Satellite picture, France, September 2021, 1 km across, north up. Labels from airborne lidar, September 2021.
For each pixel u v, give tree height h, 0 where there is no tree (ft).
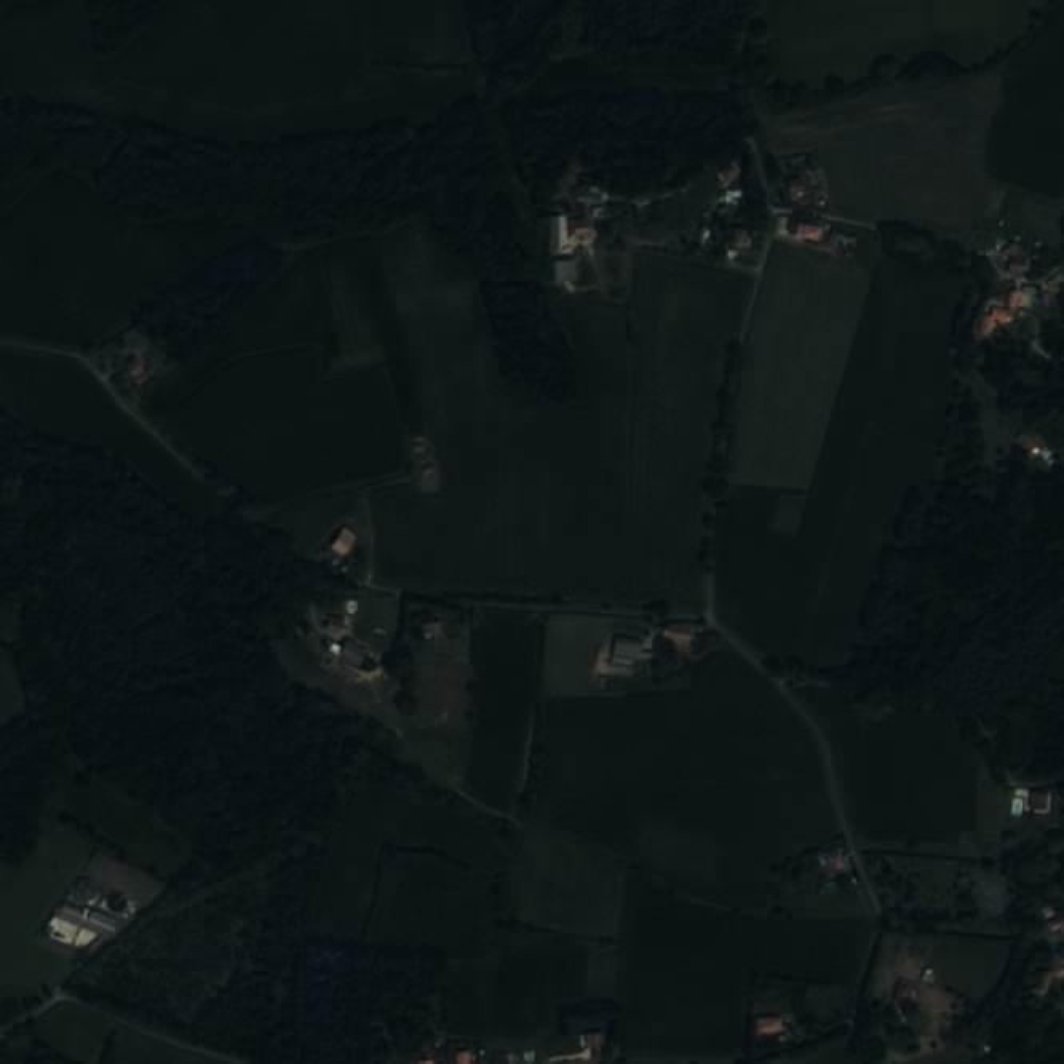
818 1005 0
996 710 62
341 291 0
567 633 0
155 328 64
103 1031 0
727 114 68
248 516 83
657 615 31
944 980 0
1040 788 0
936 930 35
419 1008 70
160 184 66
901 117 0
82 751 81
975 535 75
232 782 72
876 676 67
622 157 78
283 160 66
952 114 0
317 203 69
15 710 0
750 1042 34
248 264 61
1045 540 87
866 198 0
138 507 78
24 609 71
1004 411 50
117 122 22
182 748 42
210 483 65
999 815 0
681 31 81
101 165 51
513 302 82
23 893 0
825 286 0
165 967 20
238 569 65
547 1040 0
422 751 0
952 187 0
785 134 0
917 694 51
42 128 81
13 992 0
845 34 0
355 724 38
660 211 35
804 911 0
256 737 83
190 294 48
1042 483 53
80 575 52
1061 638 75
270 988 31
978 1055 44
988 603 67
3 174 72
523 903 0
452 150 83
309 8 0
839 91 54
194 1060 0
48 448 46
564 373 79
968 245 0
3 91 60
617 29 83
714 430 31
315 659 0
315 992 64
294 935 31
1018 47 23
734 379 38
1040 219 0
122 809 0
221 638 65
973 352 94
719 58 69
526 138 79
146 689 67
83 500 35
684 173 82
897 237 67
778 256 0
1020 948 34
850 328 0
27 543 59
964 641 72
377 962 60
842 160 0
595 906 0
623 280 0
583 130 86
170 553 63
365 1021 33
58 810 0
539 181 59
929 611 67
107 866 0
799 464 0
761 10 52
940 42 0
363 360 0
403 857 21
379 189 56
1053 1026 52
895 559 68
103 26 50
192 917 32
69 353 0
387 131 38
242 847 25
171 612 37
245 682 81
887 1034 29
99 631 53
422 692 0
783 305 0
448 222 73
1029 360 32
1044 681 88
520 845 0
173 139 36
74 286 0
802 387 0
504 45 31
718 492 54
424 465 0
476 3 49
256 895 20
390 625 0
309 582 52
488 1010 0
